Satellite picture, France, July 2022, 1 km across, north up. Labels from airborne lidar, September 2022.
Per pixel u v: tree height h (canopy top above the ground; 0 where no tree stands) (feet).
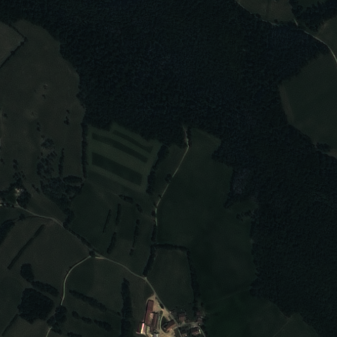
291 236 55
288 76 83
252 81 71
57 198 68
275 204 70
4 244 0
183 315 0
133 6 82
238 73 75
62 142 0
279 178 63
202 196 0
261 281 41
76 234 22
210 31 59
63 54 49
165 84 85
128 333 51
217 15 71
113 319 0
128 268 0
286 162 75
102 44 78
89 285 0
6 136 0
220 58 39
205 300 0
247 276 0
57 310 27
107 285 0
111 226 0
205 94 71
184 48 45
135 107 64
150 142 0
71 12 55
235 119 73
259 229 60
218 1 68
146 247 0
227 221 0
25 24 0
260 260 47
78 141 0
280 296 41
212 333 0
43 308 67
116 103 67
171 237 0
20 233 0
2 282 0
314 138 0
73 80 0
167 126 71
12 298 0
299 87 0
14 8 71
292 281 51
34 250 0
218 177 0
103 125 66
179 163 0
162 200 0
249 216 56
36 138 0
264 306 0
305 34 100
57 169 0
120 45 44
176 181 0
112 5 93
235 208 0
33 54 0
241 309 0
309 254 59
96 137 0
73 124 0
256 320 0
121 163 0
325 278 41
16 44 0
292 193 79
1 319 0
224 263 0
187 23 52
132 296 0
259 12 0
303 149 111
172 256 0
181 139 70
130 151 0
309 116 0
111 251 26
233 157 52
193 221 0
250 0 0
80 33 26
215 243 0
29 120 0
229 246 0
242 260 0
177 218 0
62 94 0
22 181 36
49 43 0
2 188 0
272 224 66
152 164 0
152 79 73
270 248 47
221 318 0
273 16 0
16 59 0
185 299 0
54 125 0
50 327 35
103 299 0
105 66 88
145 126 57
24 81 0
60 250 0
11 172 0
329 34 0
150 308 0
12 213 0
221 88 65
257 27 59
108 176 0
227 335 0
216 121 75
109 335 0
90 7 74
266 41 24
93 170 0
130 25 55
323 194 105
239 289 0
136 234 25
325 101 0
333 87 0
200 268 0
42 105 0
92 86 63
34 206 0
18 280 0
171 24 44
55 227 0
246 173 99
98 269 0
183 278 0
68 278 0
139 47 75
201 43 44
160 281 0
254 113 82
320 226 51
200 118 73
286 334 0
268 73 77
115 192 0
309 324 49
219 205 0
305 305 44
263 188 53
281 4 0
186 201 0
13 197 0
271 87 72
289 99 0
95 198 0
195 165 0
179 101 96
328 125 0
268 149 86
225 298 0
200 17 62
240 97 62
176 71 64
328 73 0
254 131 70
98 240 0
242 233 0
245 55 45
